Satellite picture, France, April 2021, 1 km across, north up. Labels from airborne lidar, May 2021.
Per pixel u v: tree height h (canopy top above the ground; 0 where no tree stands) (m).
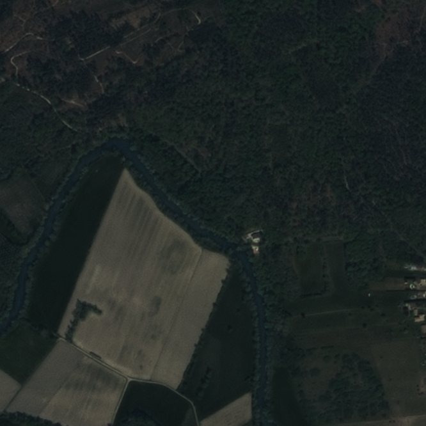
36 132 16
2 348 0
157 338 0
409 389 0
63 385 0
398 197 17
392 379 0
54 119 12
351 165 18
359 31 18
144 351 0
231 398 0
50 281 0
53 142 6
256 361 14
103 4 0
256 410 14
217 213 22
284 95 20
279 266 14
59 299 0
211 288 0
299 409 0
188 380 0
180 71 16
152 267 0
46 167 15
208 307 0
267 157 9
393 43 7
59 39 20
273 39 13
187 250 0
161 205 16
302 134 10
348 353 0
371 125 15
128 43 0
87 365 0
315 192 12
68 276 0
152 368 0
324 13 25
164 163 18
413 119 11
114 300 0
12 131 14
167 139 19
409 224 17
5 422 0
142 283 0
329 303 0
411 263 19
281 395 0
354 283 13
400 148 14
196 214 20
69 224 0
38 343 0
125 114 14
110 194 0
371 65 16
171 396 0
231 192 19
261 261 15
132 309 0
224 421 0
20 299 0
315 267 0
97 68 18
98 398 0
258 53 16
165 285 0
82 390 0
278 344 19
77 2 11
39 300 0
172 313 0
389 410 0
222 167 17
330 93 5
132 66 15
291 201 14
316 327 0
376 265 11
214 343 0
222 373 0
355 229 15
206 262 0
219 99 12
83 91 22
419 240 13
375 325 0
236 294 0
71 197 11
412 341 0
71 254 0
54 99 13
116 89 15
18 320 11
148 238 0
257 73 16
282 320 14
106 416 0
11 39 6
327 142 20
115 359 0
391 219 14
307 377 0
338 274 0
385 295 0
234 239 14
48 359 0
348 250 16
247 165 19
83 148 19
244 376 0
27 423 17
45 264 0
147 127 21
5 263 19
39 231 17
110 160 0
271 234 15
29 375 0
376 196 9
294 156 12
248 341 0
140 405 0
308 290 0
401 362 0
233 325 0
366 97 16
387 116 13
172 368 0
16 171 14
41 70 19
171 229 0
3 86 12
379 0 0
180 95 15
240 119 15
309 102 16
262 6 22
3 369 0
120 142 0
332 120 17
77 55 18
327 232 10
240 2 21
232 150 16
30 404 0
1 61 14
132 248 0
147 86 20
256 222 13
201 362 0
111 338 0
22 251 17
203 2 0
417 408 0
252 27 19
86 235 0
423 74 13
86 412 0
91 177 0
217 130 18
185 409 0
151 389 0
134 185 0
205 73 10
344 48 23
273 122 12
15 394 0
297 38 13
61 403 0
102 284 0
